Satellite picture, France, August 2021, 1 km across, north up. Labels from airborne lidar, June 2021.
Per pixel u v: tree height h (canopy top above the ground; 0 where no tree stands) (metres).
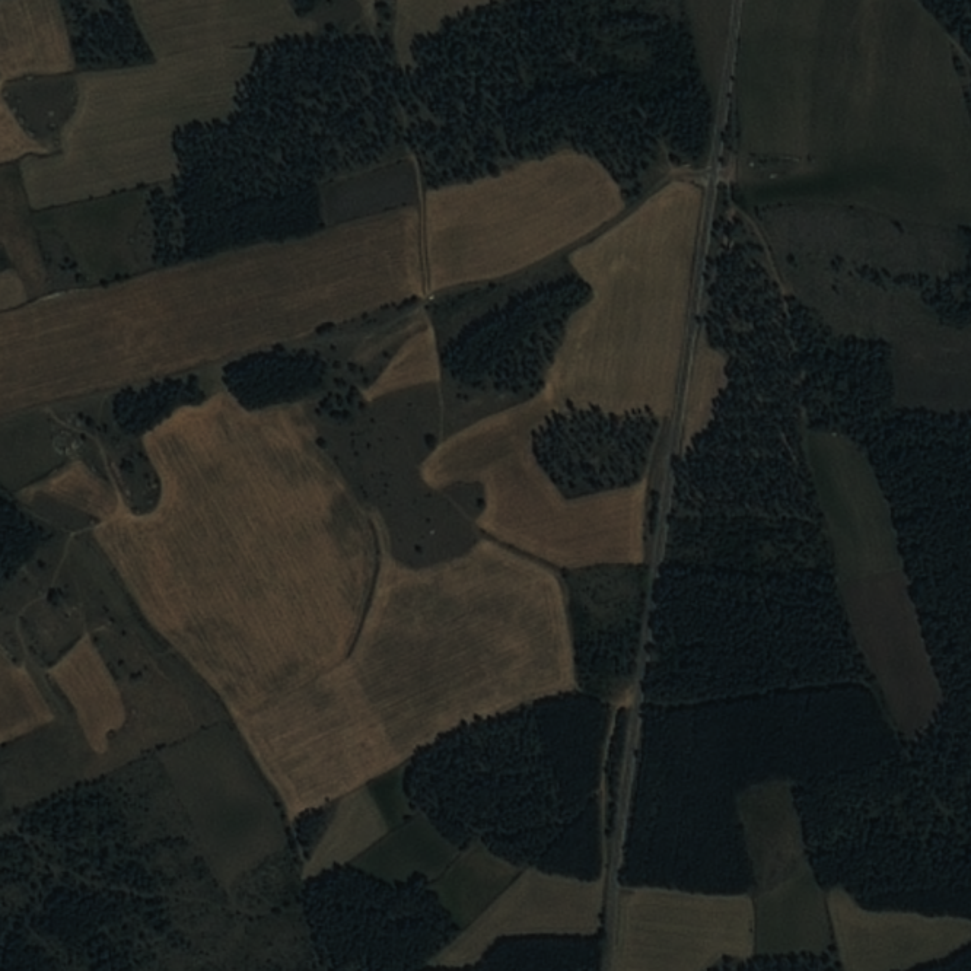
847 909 0
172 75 0
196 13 0
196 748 0
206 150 14
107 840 9
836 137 0
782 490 16
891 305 0
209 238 15
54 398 0
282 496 0
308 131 12
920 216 0
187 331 0
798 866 0
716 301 11
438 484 0
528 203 0
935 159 0
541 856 9
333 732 0
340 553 0
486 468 0
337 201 0
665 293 0
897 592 0
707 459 16
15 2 0
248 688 0
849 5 0
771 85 0
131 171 0
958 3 11
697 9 0
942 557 14
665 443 0
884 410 11
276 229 14
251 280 0
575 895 0
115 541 0
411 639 0
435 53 16
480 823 15
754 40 0
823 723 12
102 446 0
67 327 0
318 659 0
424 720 0
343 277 0
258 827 0
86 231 0
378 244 0
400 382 0
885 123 0
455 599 0
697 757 12
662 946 0
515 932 0
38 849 9
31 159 0
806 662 17
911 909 11
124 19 14
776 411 12
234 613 0
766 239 0
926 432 14
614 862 0
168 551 0
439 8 0
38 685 0
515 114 20
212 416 0
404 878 0
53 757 0
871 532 0
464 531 0
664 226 0
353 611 0
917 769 15
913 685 0
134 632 0
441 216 0
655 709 13
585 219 0
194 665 0
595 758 11
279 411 0
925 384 0
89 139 0
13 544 17
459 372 10
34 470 0
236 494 0
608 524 0
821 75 0
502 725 15
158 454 0
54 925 14
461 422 0
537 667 0
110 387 0
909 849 17
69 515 0
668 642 16
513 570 0
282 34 0
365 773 0
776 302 10
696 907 0
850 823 15
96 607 0
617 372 0
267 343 0
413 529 0
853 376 15
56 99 0
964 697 17
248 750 0
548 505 0
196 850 0
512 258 0
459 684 0
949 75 0
